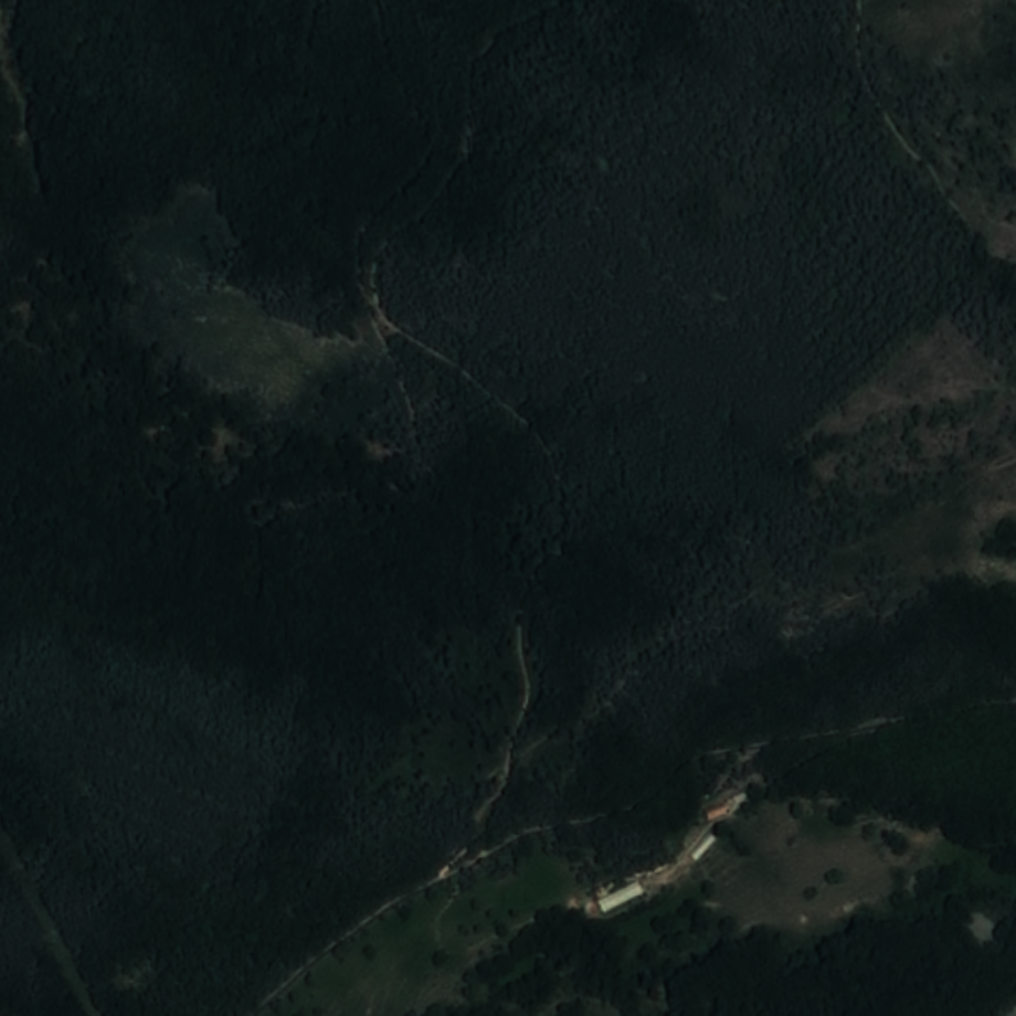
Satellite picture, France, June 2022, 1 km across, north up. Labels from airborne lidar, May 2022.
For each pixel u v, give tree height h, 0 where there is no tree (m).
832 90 15
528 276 12
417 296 9
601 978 15
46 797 12
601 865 14
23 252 18
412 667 13
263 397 0
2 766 11
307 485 16
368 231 8
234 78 19
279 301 13
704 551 15
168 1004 11
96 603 12
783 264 12
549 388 12
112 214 21
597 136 10
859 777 19
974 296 15
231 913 11
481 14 11
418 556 18
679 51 16
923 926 13
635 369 11
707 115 12
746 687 13
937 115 9
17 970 16
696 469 11
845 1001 17
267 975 17
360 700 13
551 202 12
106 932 14
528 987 12
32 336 14
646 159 11
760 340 9
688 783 20
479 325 8
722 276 10
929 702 13
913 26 0
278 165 23
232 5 26
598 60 13
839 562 0
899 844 26
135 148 21
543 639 12
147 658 14
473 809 11
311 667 15
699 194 6
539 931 15
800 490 9
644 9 19
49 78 19
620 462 11
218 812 10
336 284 12
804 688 15
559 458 9
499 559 13
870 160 17
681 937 16
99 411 16
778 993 17
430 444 14
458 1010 10
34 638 13
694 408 11
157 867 10
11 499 14
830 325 13
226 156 19
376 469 17
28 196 27
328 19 11
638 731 14
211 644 18
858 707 14
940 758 14
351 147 27
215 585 20
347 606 16
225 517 13
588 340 8
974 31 0
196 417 12
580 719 11
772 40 17
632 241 11
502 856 9
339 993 0
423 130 13
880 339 14
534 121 13
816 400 13
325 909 13
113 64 14
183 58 17
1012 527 14
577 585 15
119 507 18
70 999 13
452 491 18
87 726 11
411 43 10
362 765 11
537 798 12
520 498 18
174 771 11
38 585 14
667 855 10
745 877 0
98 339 15
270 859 11
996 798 17
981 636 17
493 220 9
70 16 17
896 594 7
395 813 12
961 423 11
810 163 10
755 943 21
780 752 18
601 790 15
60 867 10
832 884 14
